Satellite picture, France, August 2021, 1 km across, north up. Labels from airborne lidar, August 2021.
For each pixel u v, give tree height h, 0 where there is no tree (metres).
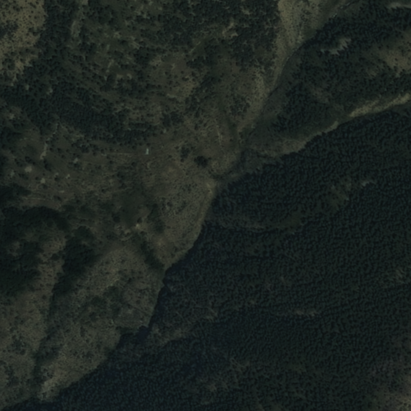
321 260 18
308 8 0
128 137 7
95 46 9
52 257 8
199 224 0
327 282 15
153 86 7
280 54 0
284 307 17
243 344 24
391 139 16
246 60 13
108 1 0
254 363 12
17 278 26
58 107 9
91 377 14
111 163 8
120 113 9
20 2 0
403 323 7
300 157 16
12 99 19
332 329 7
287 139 0
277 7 10
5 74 8
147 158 0
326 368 17
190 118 0
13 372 6
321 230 14
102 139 16
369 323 13
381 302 15
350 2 0
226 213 15
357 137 7
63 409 25
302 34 0
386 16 13
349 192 9
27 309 0
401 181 10
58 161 0
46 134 7
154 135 11
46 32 7
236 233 20
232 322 18
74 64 12
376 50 0
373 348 10
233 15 7
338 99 8
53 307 10
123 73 0
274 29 11
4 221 7
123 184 7
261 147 0
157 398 17
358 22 6
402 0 0
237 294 14
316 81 14
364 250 12
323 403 12
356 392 7
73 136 0
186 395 21
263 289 13
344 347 15
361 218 15
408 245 11
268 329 23
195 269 10
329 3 0
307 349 18
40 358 12
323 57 18
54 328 7
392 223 14
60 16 13
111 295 8
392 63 0
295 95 17
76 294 7
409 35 0
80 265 16
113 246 0
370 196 18
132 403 13
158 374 22
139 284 0
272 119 0
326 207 20
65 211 7
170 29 9
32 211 13
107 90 10
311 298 11
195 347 15
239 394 21
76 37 0
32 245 13
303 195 15
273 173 15
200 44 0
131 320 7
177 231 0
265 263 25
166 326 11
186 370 9
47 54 21
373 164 12
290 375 10
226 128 0
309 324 21
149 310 12
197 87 6
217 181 0
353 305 13
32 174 0
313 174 15
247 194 14
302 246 16
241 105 7
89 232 7
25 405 7
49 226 10
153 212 15
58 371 0
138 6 0
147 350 8
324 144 18
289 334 21
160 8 0
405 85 11
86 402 11
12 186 8
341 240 18
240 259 20
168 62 0
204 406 13
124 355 7
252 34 8
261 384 21
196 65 10
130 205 0
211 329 12
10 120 9
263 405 14
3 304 7
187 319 10
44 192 0
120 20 0
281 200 16
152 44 0
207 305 14
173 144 0
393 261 11
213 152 0
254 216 17
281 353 17
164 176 0
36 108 19
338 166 17
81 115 9
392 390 5
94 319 11
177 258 0
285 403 16
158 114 0
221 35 0
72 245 18
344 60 13
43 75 16
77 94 9
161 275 0
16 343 8
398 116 16
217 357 10
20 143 0
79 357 7
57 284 10
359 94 8
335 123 0
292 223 0
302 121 7
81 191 0
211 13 13
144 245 13
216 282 11
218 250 9
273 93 0
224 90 0
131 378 17
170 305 12
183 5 16
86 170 0
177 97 0
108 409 16
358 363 10
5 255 15
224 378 9
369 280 13
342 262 10
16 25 7
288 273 17
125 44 15
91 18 11
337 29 18
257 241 18
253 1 8
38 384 7
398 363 8
